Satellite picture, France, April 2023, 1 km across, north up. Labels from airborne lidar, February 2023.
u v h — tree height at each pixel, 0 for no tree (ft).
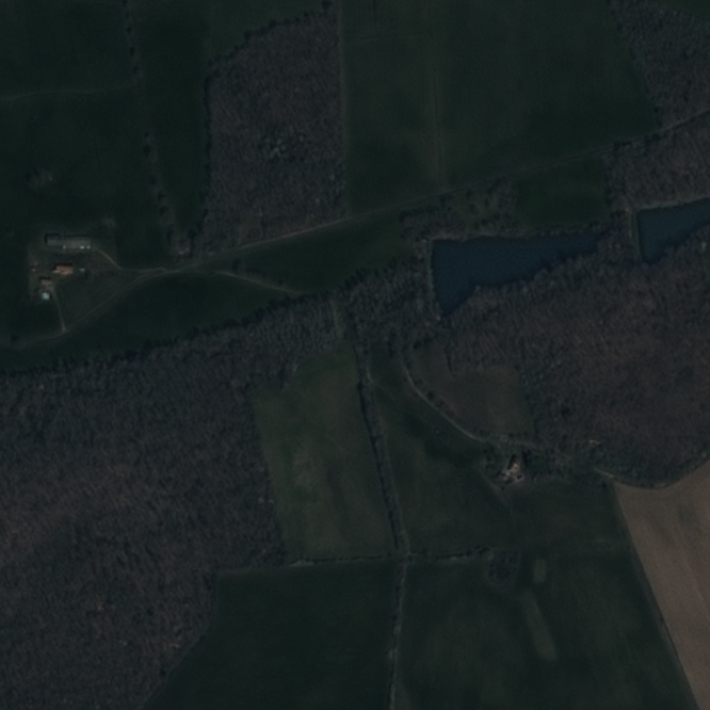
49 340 0
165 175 0
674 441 34
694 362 39
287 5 0
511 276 0
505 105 0
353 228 0
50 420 67
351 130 0
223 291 0
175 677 0
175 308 0
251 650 0
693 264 78
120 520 58
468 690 0
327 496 0
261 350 92
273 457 0
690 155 74
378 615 0
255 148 59
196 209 0
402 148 0
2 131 0
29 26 0
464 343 62
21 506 58
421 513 0
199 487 47
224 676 0
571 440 23
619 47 0
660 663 0
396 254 0
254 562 51
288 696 0
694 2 0
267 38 59
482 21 0
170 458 64
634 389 25
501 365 29
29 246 0
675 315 22
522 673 0
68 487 66
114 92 0
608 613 0
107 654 47
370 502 0
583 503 0
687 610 0
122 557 72
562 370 41
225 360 63
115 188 0
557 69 0
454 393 0
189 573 60
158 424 70
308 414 0
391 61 0
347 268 0
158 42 0
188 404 87
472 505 0
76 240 0
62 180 0
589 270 59
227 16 0
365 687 0
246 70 40
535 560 0
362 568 0
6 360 0
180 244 31
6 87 0
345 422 0
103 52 0
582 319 65
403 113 0
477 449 0
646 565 0
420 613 0
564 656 0
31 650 58
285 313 82
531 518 0
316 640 0
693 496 0
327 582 0
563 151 0
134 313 0
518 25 0
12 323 0
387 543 0
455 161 0
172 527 59
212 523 71
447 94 0
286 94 54
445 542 0
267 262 0
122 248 0
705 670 0
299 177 81
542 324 72
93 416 101
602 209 0
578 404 33
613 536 0
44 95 0
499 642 0
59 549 49
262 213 25
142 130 0
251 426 53
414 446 0
